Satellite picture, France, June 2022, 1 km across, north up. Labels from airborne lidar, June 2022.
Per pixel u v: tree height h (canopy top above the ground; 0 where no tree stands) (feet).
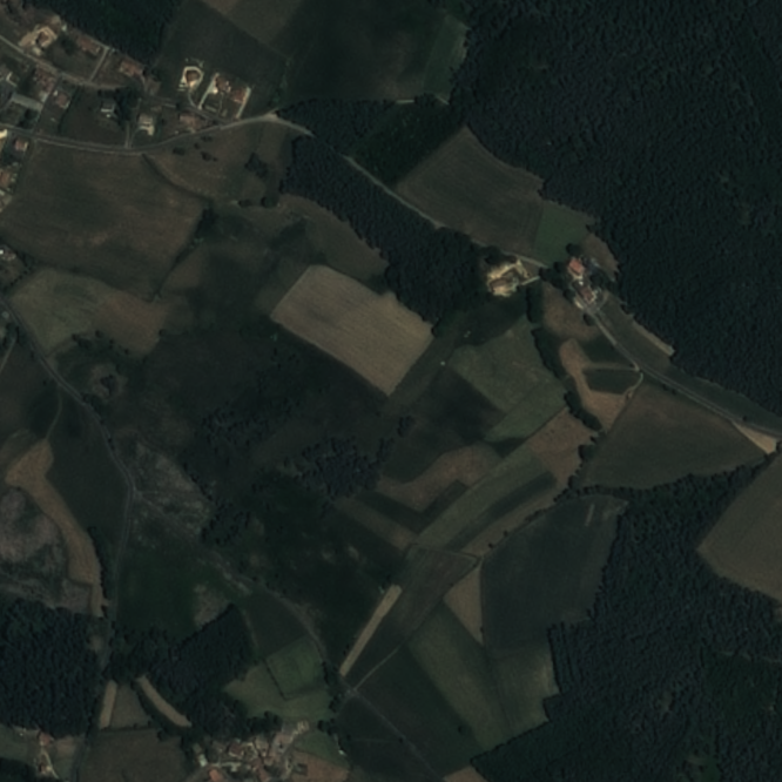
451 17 0
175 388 0
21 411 0
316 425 0
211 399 0
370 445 0
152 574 0
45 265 0
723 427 0
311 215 0
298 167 39
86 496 0
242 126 0
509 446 0
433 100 57
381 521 0
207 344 0
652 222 51
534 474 0
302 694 0
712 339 91
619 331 0
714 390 0
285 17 0
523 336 0
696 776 35
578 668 40
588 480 0
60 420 0
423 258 49
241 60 0
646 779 75
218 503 28
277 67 0
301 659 0
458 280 61
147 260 0
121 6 40
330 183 69
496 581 0
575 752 53
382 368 0
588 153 44
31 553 0
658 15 69
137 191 0
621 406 0
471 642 0
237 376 0
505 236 0
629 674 57
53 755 0
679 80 51
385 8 0
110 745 0
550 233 0
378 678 0
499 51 59
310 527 0
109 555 45
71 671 100
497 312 0
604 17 53
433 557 0
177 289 0
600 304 0
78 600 0
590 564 0
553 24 59
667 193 54
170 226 0
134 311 0
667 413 0
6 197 0
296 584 0
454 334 0
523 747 64
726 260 63
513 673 0
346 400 0
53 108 0
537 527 0
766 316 75
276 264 0
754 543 0
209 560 0
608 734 58
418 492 0
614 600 78
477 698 0
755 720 35
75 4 39
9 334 18
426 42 0
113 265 0
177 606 0
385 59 0
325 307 0
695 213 68
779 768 58
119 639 24
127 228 0
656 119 55
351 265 0
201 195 0
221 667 81
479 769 45
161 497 0
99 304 0
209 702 52
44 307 0
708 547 0
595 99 58
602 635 36
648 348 0
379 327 0
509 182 0
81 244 0
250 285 0
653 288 68
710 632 56
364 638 0
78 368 0
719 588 45
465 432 0
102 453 0
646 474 0
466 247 60
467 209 0
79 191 0
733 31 41
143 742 0
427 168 0
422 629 0
